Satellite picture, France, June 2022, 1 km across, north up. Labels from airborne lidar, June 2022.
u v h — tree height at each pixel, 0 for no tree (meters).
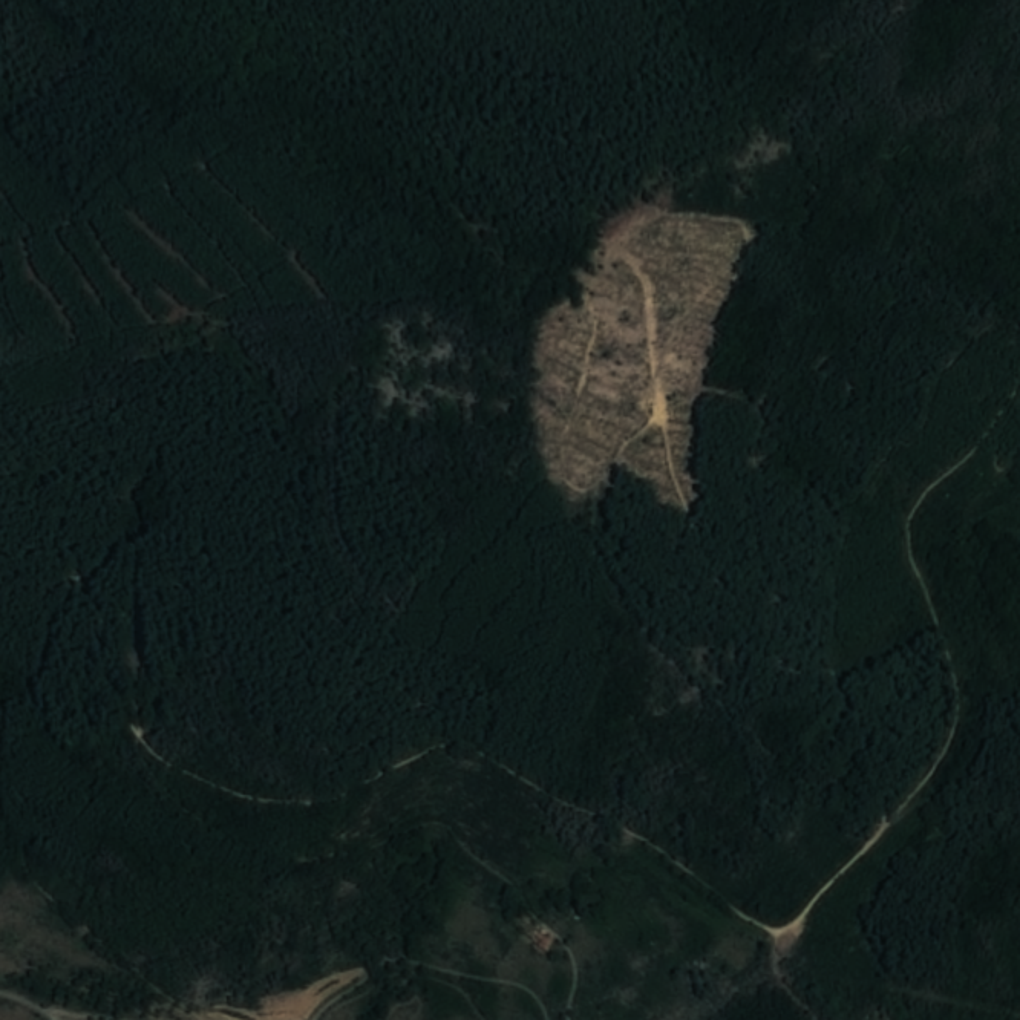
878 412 24
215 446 32
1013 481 14
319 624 25
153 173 18
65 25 26
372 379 11
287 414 20
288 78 14
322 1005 0
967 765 10
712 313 0
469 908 0
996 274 23
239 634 30
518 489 8
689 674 23
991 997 16
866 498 10
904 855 8
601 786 14
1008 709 24
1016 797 14
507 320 10
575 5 24
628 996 0
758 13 7
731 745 9
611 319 0
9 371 13
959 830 20
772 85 10
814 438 24
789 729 24
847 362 22
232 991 10
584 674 23
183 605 33
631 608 21
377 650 32
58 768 13
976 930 18
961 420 12
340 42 19
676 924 0
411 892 18
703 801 8
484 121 23
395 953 16
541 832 7
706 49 8
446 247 17
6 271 16
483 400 8
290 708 27
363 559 28
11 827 15
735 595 31
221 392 26
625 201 10
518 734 24
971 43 19
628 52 25
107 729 26
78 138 28
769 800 28
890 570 13
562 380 0
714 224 0
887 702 32
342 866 13
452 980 7
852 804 14
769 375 25
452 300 16
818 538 38
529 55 27
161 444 31
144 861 15
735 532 28
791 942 0
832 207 19
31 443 16
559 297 15
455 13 17
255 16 17
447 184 21
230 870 13
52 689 33
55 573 26
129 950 10
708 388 19
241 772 12
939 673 26
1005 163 12
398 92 16
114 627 27
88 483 31
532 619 15
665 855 9
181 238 16
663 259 0
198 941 10
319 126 16
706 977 15
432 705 33
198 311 13
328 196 15
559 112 18
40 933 0
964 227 16
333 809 12
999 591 12
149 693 14
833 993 7
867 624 11
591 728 13
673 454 0
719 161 13
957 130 12
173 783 9
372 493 25
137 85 19
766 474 22
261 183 17
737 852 12
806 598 34
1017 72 14
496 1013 0
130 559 32
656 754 12
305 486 25
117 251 18
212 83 14
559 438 0
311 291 15
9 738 27
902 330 27
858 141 13
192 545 31
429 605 19
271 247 11
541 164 22
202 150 15
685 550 32
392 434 19
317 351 21
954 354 34
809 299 28
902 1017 11
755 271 23
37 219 17
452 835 7
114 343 11
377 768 20
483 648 18
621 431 0
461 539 16
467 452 13
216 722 11
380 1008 14
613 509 29
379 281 13
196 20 13
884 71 18
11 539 32
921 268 18
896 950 29
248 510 26
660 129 19
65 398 13
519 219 16
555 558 21
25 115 28
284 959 16
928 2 9
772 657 32
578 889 14
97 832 17
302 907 11
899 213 16
